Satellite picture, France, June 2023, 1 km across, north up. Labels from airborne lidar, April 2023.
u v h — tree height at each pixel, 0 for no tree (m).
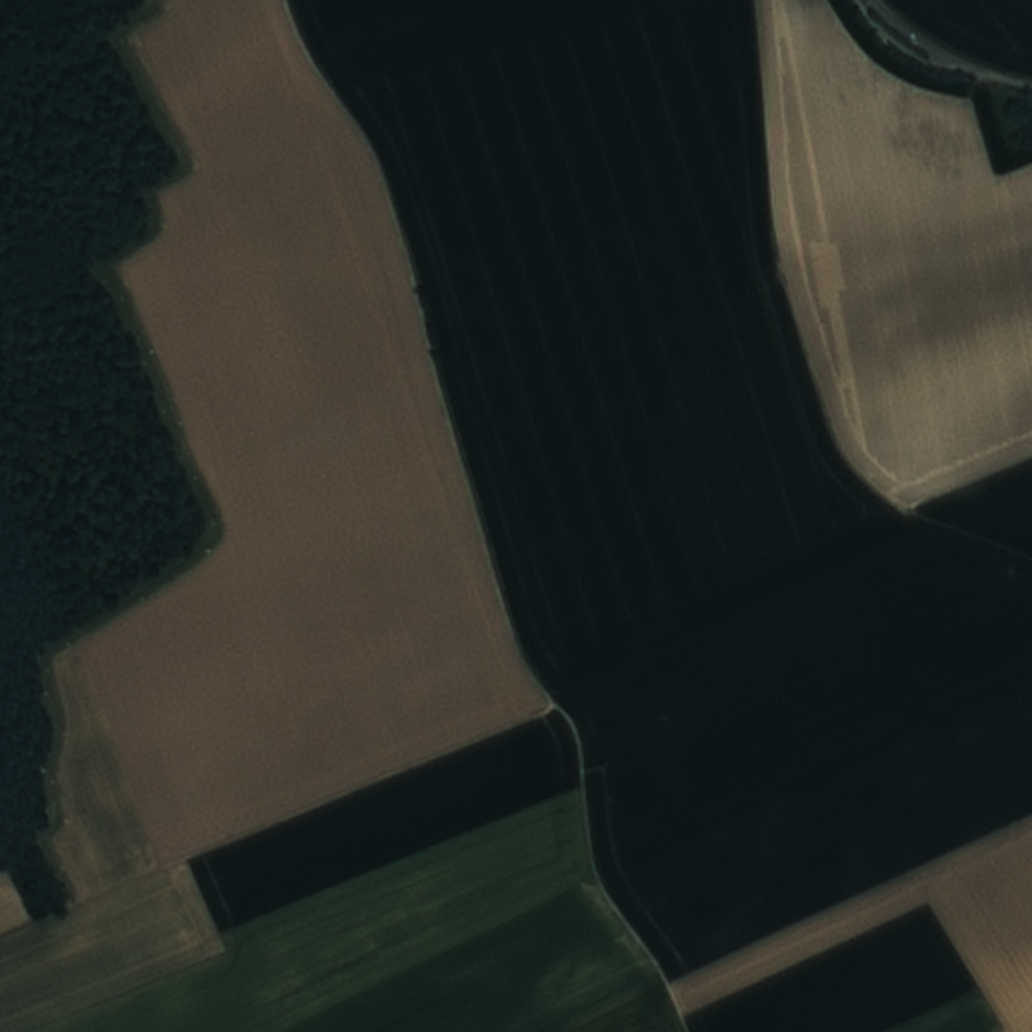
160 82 0
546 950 0
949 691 0
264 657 0
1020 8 0
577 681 0
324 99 0
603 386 0
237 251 0
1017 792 0
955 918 0
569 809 0
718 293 0
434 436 0
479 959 0
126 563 20
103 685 0
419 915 0
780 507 0
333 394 0
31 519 24
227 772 0
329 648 0
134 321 0
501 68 0
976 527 0
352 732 0
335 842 0
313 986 0
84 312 7
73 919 0
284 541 0
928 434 0
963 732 0
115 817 0
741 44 0
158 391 0
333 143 0
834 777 0
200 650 0
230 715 0
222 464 0
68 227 21
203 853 0
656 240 0
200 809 0
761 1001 0
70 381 29
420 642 0
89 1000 0
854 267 0
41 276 24
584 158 0
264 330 0
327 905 0
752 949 0
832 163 0
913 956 0
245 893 0
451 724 0
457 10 0
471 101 0
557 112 0
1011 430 0
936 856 0
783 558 0
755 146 0
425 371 0
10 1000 0
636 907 0
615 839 0
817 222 0
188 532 7
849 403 0
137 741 0
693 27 0
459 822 0
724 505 0
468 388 0
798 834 0
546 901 0
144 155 19
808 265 0
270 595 0
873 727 0
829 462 0
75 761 0
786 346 0
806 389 0
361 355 0
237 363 0
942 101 0
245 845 0
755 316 0
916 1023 0
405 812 0
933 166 0
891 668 0
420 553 0
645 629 0
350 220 0
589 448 0
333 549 0
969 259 0
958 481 0
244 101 0
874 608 0
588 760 0
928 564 0
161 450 25
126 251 0
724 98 0
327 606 0
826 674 0
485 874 0
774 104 0
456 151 0
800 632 0
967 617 0
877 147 0
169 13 0
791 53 0
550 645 0
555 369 0
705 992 0
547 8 0
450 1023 0
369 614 0
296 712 0
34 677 24
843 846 0
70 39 16
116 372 25
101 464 26
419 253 0
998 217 0
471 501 0
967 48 0
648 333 0
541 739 0
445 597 0
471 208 0
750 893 0
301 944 0
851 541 0
